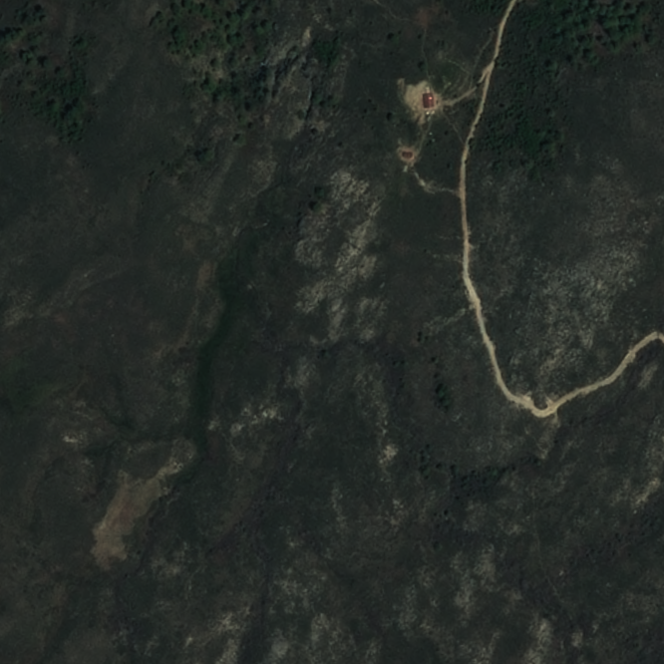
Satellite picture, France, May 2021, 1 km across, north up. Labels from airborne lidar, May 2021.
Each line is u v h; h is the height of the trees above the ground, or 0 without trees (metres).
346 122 0
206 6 22
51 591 0
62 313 0
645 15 13
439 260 0
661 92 0
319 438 0
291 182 0
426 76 0
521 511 0
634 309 0
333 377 0
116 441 0
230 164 0
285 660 0
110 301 0
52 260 0
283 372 7
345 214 0
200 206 0
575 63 13
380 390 0
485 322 0
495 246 0
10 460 0
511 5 0
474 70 0
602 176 0
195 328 0
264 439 0
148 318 0
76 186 0
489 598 0
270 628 0
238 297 0
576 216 0
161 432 0
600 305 0
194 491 0
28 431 0
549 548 0
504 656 0
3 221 0
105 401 0
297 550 0
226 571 0
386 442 0
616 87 0
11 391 0
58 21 0
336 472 0
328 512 0
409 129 0
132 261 0
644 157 0
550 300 0
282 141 0
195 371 0
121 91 0
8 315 0
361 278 0
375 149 0
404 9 0
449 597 0
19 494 0
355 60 0
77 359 0
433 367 0
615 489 0
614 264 0
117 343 0
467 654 0
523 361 0
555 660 0
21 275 0
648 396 0
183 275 0
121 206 0
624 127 0
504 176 0
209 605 0
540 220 0
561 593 0
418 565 0
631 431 0
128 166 0
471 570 0
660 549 0
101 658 0
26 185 0
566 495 0
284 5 0
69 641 0
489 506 0
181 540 0
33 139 0
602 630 0
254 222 0
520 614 0
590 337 0
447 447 0
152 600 0
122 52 0
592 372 0
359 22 0
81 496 0
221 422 0
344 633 0
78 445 0
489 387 0
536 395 0
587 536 0
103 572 0
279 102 0
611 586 0
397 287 0
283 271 0
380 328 0
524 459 7
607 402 0
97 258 0
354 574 0
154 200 0
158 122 0
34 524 0
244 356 0
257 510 10
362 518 0
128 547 0
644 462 0
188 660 0
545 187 0
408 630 0
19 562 0
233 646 0
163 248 0
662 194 0
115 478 0
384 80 0
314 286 0
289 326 0
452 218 0
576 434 0
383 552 0
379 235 0
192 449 0
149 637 0
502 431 0
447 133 6
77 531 0
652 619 0
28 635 0
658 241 0
